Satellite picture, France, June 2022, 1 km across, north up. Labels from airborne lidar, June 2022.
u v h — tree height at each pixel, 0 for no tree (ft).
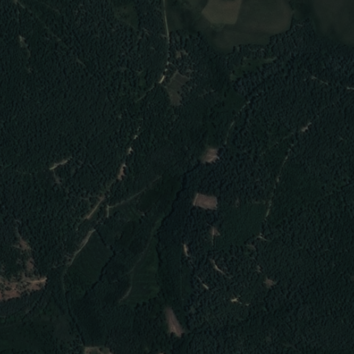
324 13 0
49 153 57
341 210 66
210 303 74
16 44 49
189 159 76
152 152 43
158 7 68
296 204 31
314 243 77
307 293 31
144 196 49
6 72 58
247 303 72
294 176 38
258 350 86
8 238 69
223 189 93
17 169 78
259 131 23
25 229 79
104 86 78
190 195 116
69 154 75
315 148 64
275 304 85
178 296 41
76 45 84
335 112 90
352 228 63
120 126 80
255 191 71
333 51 61
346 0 0
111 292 109
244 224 36
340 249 66
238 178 74
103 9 63
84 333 87
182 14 0
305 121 74
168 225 84
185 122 79
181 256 27
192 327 93
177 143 68
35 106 81
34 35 34
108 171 82
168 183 77
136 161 62
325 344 57
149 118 52
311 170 72
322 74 68
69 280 31
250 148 58
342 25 0
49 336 31
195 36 51
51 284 79
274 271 78
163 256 55
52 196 71
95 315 92
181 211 78
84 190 83
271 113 73
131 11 0
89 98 83
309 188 37
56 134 76
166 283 44
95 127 72
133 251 74
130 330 102
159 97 42
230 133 25
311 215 70
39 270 43
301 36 75
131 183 51
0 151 53
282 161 22
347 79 80
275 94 72
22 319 37
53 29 34
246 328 47
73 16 27
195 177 118
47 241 76
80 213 52
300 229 55
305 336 61
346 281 26
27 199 68
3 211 78
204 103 76
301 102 68
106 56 84
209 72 70
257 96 20
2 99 92
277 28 0
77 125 68
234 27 0
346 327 74
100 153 82
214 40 0
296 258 70
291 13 0
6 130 54
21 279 56
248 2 0
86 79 77
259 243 77
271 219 38
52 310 31
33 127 66
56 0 28
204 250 90
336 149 67
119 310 104
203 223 86
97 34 80
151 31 71
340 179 78
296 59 87
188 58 71
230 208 40
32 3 34
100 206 0
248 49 59
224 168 73
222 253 74
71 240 44
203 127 44
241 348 73
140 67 62
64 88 81
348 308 61
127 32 86
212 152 0
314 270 67
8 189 84
